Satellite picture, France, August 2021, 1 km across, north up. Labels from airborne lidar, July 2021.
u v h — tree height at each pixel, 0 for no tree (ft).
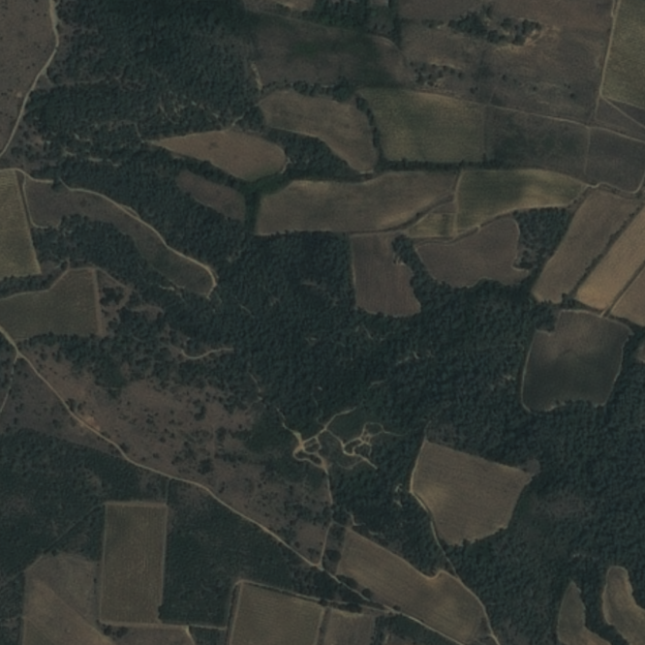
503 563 45
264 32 0
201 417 28
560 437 43
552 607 19
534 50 0
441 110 0
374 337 24
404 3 0
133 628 0
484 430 35
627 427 38
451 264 0
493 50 0
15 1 0
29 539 19
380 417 44
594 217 0
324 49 0
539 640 30
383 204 0
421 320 31
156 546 0
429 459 0
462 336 36
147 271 26
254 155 0
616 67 0
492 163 32
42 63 0
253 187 37
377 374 32
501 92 0
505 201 0
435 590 0
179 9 36
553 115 0
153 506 0
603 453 45
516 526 22
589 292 0
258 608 0
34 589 0
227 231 37
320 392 31
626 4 0
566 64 0
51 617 0
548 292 0
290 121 0
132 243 30
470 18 34
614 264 0
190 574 17
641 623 0
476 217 0
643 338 19
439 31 0
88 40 28
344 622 0
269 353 31
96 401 0
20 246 0
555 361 0
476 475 0
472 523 0
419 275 36
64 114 34
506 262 0
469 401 53
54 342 43
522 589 44
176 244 39
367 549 0
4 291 29
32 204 0
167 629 0
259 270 27
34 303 0
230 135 0
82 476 30
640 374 42
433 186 0
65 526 22
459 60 0
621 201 0
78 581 0
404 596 0
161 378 35
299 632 0
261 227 0
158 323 24
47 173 34
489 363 51
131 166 44
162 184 37
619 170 0
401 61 0
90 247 30
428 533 37
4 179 0
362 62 0
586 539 51
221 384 24
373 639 19
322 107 0
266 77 0
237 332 35
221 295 34
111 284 0
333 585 21
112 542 0
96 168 22
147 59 45
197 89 46
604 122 0
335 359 44
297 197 0
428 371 19
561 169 0
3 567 18
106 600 0
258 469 0
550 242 39
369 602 18
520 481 0
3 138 0
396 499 35
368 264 0
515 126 0
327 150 39
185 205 36
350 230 0
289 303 35
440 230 0
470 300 34
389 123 0
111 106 40
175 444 0
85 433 0
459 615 0
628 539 54
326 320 42
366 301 0
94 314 0
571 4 0
